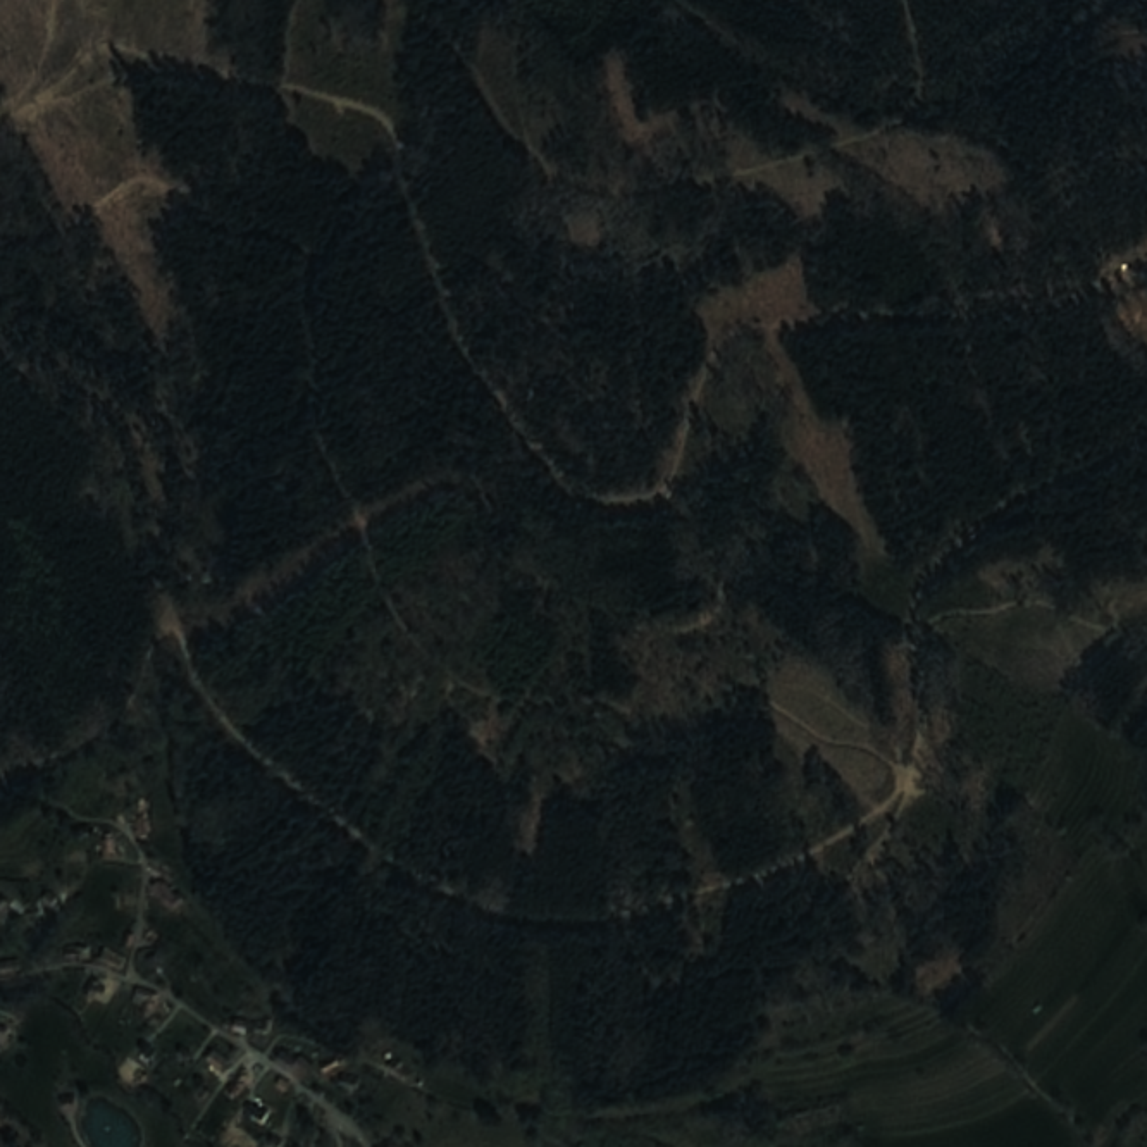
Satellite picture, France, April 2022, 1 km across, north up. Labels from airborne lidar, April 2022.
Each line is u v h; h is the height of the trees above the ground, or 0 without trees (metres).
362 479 23
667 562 18
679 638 12
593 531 18
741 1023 15
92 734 19
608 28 9
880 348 23
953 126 21
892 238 14
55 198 26
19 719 29
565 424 17
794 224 25
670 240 24
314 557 0
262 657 13
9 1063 0
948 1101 0
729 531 26
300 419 22
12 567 31
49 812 18
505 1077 21
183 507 40
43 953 23
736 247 22
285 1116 0
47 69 0
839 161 22
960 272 21
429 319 28
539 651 15
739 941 21
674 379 34
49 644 25
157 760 16
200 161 23
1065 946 0
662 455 28
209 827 24
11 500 29
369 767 28
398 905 23
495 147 24
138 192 0
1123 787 0
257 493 33
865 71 18
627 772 29
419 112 26
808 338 15
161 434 36
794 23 23
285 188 27
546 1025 21
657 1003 28
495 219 26
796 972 24
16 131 29
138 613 30
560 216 21
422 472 24
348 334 30
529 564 16
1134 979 0
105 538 28
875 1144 0
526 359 28
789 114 15
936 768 29
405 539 18
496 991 29
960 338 26
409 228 28
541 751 15
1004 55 20
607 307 29
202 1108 0
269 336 27
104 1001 0
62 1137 0
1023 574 0
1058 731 8
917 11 23
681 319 34
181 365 29
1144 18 33
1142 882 0
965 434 34
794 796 22
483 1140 0
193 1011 0
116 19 0
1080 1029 0
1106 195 32
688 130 16
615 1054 32
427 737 19
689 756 35
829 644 28
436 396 26
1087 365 30
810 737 0
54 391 20
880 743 0
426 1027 26
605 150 14
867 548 25
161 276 0
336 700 24
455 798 25
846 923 25
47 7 0
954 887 17
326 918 16
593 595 15
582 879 25
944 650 35
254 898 25
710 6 18
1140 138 30
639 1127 10
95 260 24
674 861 27
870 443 29
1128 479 26
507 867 27
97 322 23
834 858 8
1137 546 29
